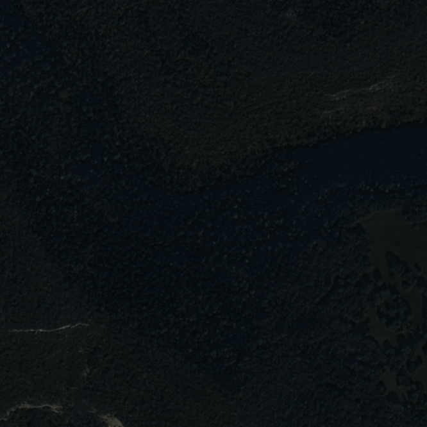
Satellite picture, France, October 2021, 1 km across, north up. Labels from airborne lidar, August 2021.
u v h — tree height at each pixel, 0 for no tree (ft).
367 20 34
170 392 45
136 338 28
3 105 53
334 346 32
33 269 39
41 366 38
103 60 37
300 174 31
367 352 42
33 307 32
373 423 59
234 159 42
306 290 40
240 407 24
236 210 63
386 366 38
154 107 27
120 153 78
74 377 27
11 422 62
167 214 86
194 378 41
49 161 42
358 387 39
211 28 45
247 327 83
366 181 84
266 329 55
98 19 56
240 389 59
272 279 61
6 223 32
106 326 31
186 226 68
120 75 49
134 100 45
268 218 69
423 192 91
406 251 0
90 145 83
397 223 0
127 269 50
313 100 34
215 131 29
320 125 39
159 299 91
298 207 76
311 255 52
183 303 46
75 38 52
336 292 44
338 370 54
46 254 62
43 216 81
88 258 60
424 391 48
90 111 64
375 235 0
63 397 29
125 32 42
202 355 51
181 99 35
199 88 53
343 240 82
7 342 43
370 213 57
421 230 0
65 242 21
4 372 34
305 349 29
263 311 29
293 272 50
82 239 63
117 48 44
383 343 0
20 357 35
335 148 21
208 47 70
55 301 27
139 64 35
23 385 39
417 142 78
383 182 96
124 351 52
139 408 50
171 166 51
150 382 47
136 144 19
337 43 31
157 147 51
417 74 34
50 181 30
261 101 45
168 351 49
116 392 42
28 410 35
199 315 49
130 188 59
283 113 41
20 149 75
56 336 31
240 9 51
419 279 0
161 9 36
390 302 0
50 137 67
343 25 48
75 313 37
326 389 41
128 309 49
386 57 23
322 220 85
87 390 43
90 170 81
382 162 81
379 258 0
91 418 21
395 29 43
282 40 31
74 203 28
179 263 41
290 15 60
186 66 42
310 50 26
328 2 27
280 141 43
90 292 77
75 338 22
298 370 28
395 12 33
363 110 33
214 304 47
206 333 62
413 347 54
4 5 78
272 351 42
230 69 58
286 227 73
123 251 88
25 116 48
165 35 37
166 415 58
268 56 23
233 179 17
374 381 34
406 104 56
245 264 56
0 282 36
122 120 68
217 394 35
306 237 62
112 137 83
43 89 32
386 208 74
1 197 39
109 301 45
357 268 51
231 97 38
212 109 37
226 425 37
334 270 35
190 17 63
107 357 56
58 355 36
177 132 37
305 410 26
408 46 18
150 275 92
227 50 42
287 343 40
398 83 17
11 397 23
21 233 26
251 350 51
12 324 32
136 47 34
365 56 31
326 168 30
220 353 74
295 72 22
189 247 34
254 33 31
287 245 80
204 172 37
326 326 43
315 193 65
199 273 61
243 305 38
